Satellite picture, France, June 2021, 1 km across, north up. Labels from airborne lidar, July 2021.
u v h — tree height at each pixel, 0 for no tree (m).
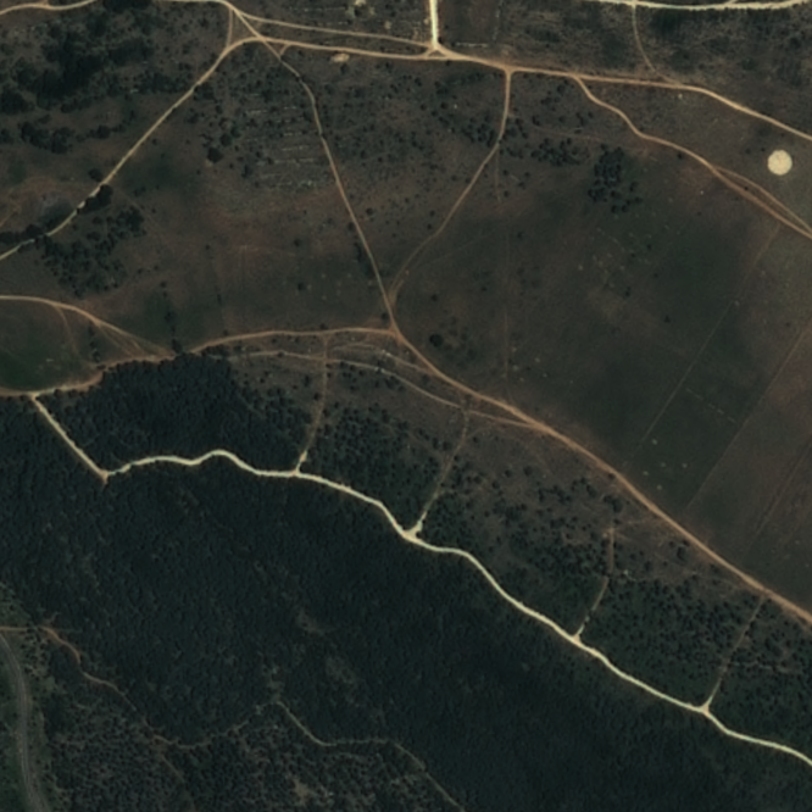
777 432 0
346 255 0
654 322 0
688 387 0
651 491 0
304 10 0
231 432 9
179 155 0
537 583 9
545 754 12
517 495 0
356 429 6
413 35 0
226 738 9
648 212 0
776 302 0
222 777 13
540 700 11
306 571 11
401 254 0
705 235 0
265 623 7
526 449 0
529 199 0
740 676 9
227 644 9
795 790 8
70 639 8
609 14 0
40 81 6
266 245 0
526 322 0
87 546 9
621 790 9
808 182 0
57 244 9
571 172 0
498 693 10
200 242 0
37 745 0
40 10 0
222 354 7
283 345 0
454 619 12
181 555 11
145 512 13
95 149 0
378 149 0
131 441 11
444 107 8
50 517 8
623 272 0
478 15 0
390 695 9
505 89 0
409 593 12
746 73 0
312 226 0
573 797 10
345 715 8
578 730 10
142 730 7
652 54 0
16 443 14
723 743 7
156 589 10
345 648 8
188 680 12
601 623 8
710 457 0
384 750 10
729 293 0
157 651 8
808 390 0
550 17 0
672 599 11
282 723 7
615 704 10
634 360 0
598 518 0
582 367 0
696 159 0
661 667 11
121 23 0
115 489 9
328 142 0
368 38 0
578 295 0
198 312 0
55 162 0
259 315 0
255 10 0
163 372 16
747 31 0
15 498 9
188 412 11
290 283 0
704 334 0
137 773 12
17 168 0
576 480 6
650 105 0
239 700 9
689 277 0
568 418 0
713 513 0
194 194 0
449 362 0
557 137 0
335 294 0
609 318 0
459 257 0
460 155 0
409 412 0
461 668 10
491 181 0
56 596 8
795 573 0
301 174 0
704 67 0
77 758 10
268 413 9
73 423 14
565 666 8
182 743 10
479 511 0
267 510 10
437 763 8
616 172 10
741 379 0
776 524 0
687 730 8
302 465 9
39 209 0
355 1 0
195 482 9
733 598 0
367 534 10
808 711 16
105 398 9
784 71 0
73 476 11
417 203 0
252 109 0
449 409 0
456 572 10
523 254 0
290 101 0
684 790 7
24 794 0
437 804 6
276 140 0
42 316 0
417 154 0
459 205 0
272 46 0
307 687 9
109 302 0
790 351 0
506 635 10
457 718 9
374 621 10
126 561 9
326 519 11
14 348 0
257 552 9
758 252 0
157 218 0
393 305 0
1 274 0
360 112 0
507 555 0
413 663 11
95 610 8
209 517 8
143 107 0
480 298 0
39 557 7
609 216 0
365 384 0
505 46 0
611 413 0
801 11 0
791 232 0
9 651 0
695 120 0
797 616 0
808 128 0
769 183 0
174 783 12
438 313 0
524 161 0
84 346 0
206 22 7
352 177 0
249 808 8
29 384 0
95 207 13
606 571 10
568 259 0
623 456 0
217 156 10
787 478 0
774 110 0
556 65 0
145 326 0
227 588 10
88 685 7
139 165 0
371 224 0
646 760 9
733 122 0
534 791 9
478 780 13
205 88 8
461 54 0
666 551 0
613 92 0
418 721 12
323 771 8
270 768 5
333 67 0
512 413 0
